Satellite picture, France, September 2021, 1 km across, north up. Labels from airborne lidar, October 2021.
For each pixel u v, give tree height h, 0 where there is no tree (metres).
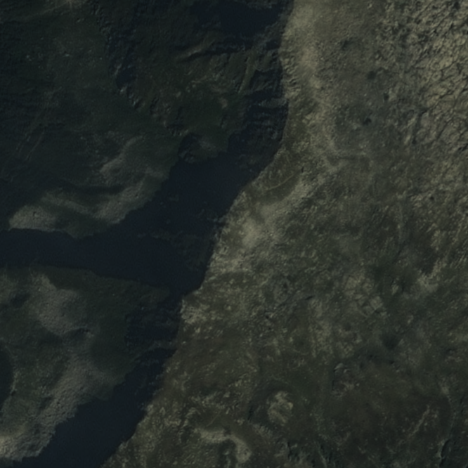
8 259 0
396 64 0
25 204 0
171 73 0
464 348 0
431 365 0
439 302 0
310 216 0
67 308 0
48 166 0
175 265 0
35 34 0
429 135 0
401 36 0
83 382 0
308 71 0
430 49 0
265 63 0
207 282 0
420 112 0
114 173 0
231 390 0
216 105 0
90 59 0
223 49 0
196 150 0
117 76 0
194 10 0
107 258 0
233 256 0
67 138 0
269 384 0
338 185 0
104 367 0
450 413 0
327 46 0
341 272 0
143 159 0
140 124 0
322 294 0
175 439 0
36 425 0
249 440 0
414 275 0
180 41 0
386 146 0
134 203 0
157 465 0
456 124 0
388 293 0
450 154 0
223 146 0
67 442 0
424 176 0
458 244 0
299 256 0
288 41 0
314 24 0
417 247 0
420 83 0
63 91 0
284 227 0
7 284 0
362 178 0
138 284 0
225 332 0
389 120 0
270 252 0
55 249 0
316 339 0
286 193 0
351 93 0
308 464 0
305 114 0
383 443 0
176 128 0
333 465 7
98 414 0
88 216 0
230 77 0
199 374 0
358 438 0
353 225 0
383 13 0
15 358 0
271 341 0
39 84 0
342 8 0
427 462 0
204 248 0
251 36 0
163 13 0
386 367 0
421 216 0
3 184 0
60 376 0
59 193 0
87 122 0
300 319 0
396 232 0
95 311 0
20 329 0
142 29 0
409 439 0
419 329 0
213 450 0
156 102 0
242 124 0
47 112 0
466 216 0
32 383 0
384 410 0
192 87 0
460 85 0
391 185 0
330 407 0
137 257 0
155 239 0
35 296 0
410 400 0
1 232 0
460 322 0
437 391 0
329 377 0
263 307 0
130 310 0
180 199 0
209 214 0
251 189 0
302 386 0
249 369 0
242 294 0
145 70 0
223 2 0
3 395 0
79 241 0
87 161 0
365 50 0
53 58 0
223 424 0
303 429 0
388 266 0
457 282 0
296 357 0
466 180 0
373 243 0
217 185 0
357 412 0
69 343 0
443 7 0
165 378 0
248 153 0
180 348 0
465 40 0
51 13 0
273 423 0
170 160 0
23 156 0
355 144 0
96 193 0
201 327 0
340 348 0
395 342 0
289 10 0
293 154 0
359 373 0
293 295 0
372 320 0
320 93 0
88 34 0
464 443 0
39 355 0
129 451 0
